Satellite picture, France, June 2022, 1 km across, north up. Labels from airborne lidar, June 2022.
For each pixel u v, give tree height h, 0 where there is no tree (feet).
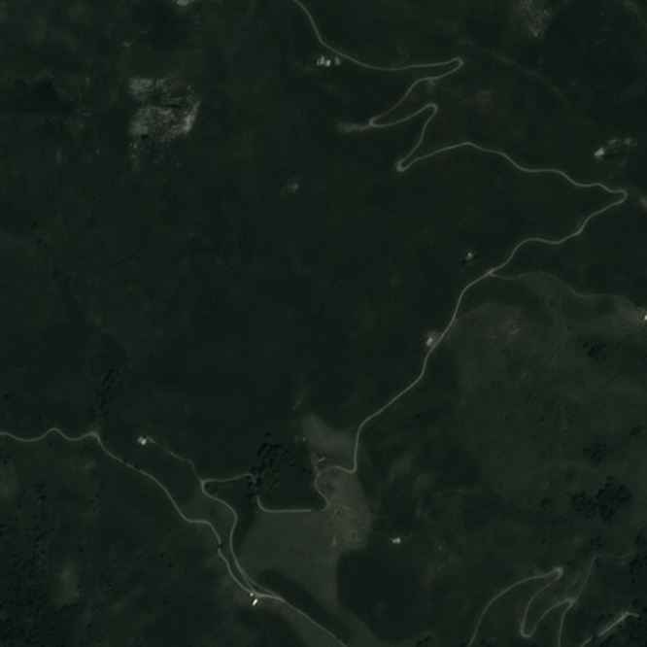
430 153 0
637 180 0
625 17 0
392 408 0
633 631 59
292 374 0
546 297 0
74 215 0
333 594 0
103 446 0
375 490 0
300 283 0
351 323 0
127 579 0
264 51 0
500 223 0
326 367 0
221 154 0
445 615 0
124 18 0
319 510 0
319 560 0
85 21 0
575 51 0
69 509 0
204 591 0
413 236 0
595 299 0
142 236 0
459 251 0
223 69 0
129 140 0
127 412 0
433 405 0
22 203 0
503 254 0
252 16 0
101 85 0
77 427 0
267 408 0
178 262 0
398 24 0
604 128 0
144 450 0
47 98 0
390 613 0
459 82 0
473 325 0
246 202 0
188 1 0
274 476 31
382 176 0
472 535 0
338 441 0
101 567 0
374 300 0
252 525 0
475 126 0
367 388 0
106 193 0
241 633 0
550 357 0
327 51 0
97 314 0
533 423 0
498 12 0
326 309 0
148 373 0
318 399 0
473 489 0
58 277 32
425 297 0
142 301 0
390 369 0
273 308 0
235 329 0
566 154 0
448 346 0
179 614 0
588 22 0
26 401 0
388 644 0
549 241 0
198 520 0
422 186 0
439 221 0
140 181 0
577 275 0
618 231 0
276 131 0
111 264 0
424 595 0
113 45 0
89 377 0
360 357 0
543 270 0
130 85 0
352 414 0
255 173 0
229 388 0
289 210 0
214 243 0
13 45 0
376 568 0
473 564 0
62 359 0
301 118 0
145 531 0
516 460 0
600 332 0
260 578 0
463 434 0
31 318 0
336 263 0
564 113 0
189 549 0
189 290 0
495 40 0
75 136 0
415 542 0
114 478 0
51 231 0
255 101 0
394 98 0
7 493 0
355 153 0
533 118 0
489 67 0
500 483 0
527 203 0
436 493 0
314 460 0
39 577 28
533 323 0
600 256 0
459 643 0
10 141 0
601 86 0
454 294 0
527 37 0
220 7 0
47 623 54
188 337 0
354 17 0
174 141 0
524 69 0
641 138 0
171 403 0
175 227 0
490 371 0
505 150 0
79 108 0
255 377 0
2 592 45
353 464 0
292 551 0
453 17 0
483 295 0
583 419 0
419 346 0
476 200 0
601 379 0
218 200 0
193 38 0
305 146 0
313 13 0
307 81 0
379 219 0
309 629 0
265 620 0
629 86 0
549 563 0
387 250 0
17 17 0
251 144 0
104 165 0
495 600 0
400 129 0
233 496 0
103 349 0
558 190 0
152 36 0
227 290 0
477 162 0
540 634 0
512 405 0
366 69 0
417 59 0
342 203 0
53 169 0
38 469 0
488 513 0
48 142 0
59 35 0
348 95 0
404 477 0
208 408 0
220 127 0
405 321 0
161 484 0
